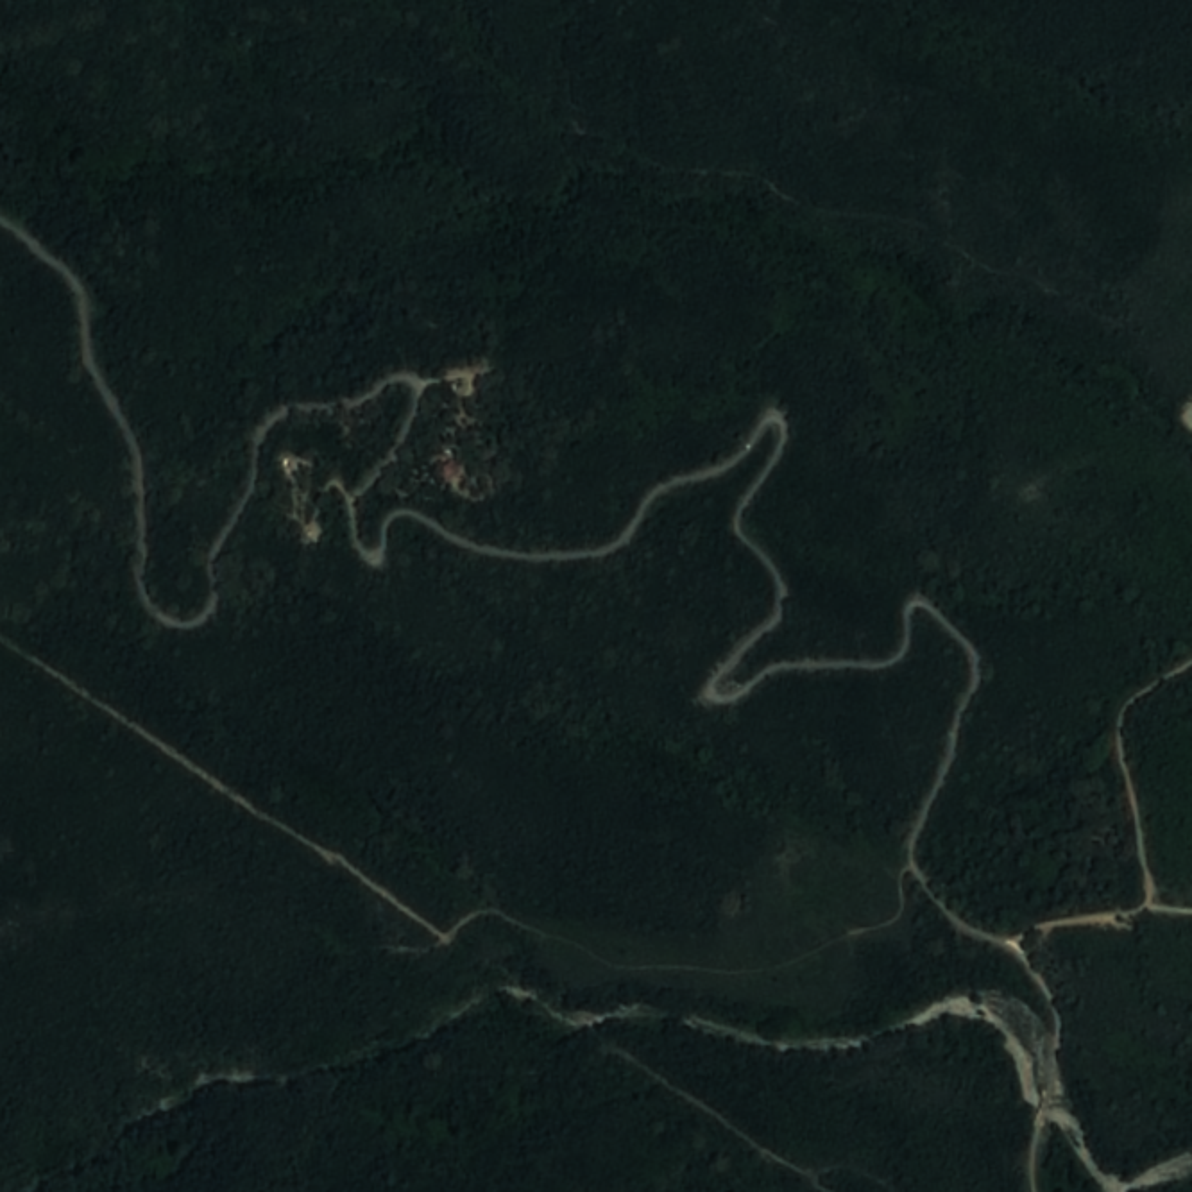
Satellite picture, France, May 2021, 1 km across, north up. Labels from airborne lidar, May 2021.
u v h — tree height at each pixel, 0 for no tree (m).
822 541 6
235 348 9
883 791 7
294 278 8
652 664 11
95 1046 10
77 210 10
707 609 6
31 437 7
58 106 16
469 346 6
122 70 7
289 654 7
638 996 18
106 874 6
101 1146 18
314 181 20
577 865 11
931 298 11
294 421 11
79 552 16
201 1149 10
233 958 8
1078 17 9
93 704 6
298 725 7
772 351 8
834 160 6
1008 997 8
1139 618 5
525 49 6
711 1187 6
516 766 7
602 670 7
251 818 6
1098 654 6
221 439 9
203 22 10
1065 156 5
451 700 11
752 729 6
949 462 5
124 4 9
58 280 8
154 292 8
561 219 12
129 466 12
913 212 6
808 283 10
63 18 10
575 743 8
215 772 6
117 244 13
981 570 8
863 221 7
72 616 11
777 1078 8
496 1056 8
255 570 11
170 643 8
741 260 8
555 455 12
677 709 9
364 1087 7
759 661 7
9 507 10
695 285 7
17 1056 11
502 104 8
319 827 10
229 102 6
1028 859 11
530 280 7
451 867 6
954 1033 10
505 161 8
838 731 8
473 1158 7
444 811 12
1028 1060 0
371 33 6
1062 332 5
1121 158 6
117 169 17
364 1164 8
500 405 11
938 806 7
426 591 6
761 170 8
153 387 8
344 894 12
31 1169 14
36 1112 9
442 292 8
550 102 6
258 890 11
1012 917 9
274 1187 16
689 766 14
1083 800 13
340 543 8
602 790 6
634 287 6
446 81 7
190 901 6
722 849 7
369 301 7
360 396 10
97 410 8
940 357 7
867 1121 6
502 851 8
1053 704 8
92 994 6
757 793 12
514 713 11
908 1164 6
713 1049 8
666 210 16
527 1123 7
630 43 7
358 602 7
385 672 9
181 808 6
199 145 10
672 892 5
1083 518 9
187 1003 9
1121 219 5
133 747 7
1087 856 11
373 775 8
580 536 8
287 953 9
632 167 10
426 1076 8
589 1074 10
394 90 16
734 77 7
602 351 9
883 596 6
